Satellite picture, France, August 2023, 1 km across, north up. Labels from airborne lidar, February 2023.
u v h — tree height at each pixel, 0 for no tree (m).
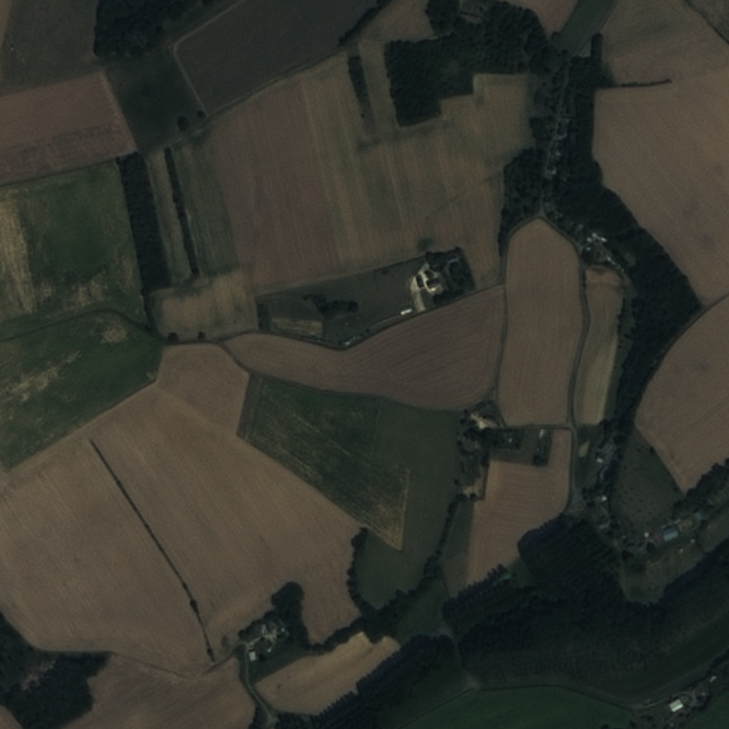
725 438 0
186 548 0
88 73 0
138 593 0
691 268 0
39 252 0
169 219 0
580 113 7
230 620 0
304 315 0
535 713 0
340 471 0
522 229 0
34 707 22
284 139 0
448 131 0
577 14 0
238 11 0
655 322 17
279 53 0
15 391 0
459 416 0
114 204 0
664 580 0
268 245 0
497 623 18
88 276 0
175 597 0
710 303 0
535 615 20
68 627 0
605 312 0
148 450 0
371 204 0
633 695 0
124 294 0
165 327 0
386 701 32
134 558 0
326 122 0
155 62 0
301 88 0
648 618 34
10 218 0
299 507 0
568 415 0
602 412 0
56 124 0
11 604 0
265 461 0
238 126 0
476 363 0
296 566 0
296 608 19
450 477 0
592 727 0
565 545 34
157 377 0
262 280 0
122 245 0
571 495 0
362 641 0
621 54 0
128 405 0
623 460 7
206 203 0
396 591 0
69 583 0
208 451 0
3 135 0
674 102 0
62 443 0
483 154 0
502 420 0
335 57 0
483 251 0
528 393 0
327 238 0
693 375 0
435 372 0
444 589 0
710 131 0
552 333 0
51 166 0
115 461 0
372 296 0
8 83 0
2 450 0
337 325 0
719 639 0
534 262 0
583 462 0
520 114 0
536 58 6
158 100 0
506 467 0
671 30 0
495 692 0
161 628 0
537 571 34
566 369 0
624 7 0
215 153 0
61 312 0
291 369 0
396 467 0
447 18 6
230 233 0
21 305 0
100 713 0
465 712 0
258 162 0
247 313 0
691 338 0
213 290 0
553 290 0
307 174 0
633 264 0
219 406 0
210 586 0
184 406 0
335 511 0
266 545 0
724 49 0
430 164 0
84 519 0
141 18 16
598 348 0
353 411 0
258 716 10
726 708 0
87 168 0
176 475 0
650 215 0
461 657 0
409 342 0
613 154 0
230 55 0
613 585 31
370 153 0
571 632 37
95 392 0
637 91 0
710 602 33
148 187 12
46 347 0
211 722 0
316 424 0
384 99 0
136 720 0
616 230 14
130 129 0
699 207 0
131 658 0
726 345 0
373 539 0
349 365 0
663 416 0
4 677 19
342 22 0
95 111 0
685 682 0
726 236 0
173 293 0
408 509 0
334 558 0
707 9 0
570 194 16
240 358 0
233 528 0
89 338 0
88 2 0
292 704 0
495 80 0
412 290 0
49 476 0
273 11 0
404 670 34
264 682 0
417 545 0
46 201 0
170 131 0
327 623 0
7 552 0
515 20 7
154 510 0
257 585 0
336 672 0
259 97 0
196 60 0
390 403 0
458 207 0
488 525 0
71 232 0
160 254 12
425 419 0
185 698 0
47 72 0
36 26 0
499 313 0
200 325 0
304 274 0
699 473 0
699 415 0
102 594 0
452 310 0
